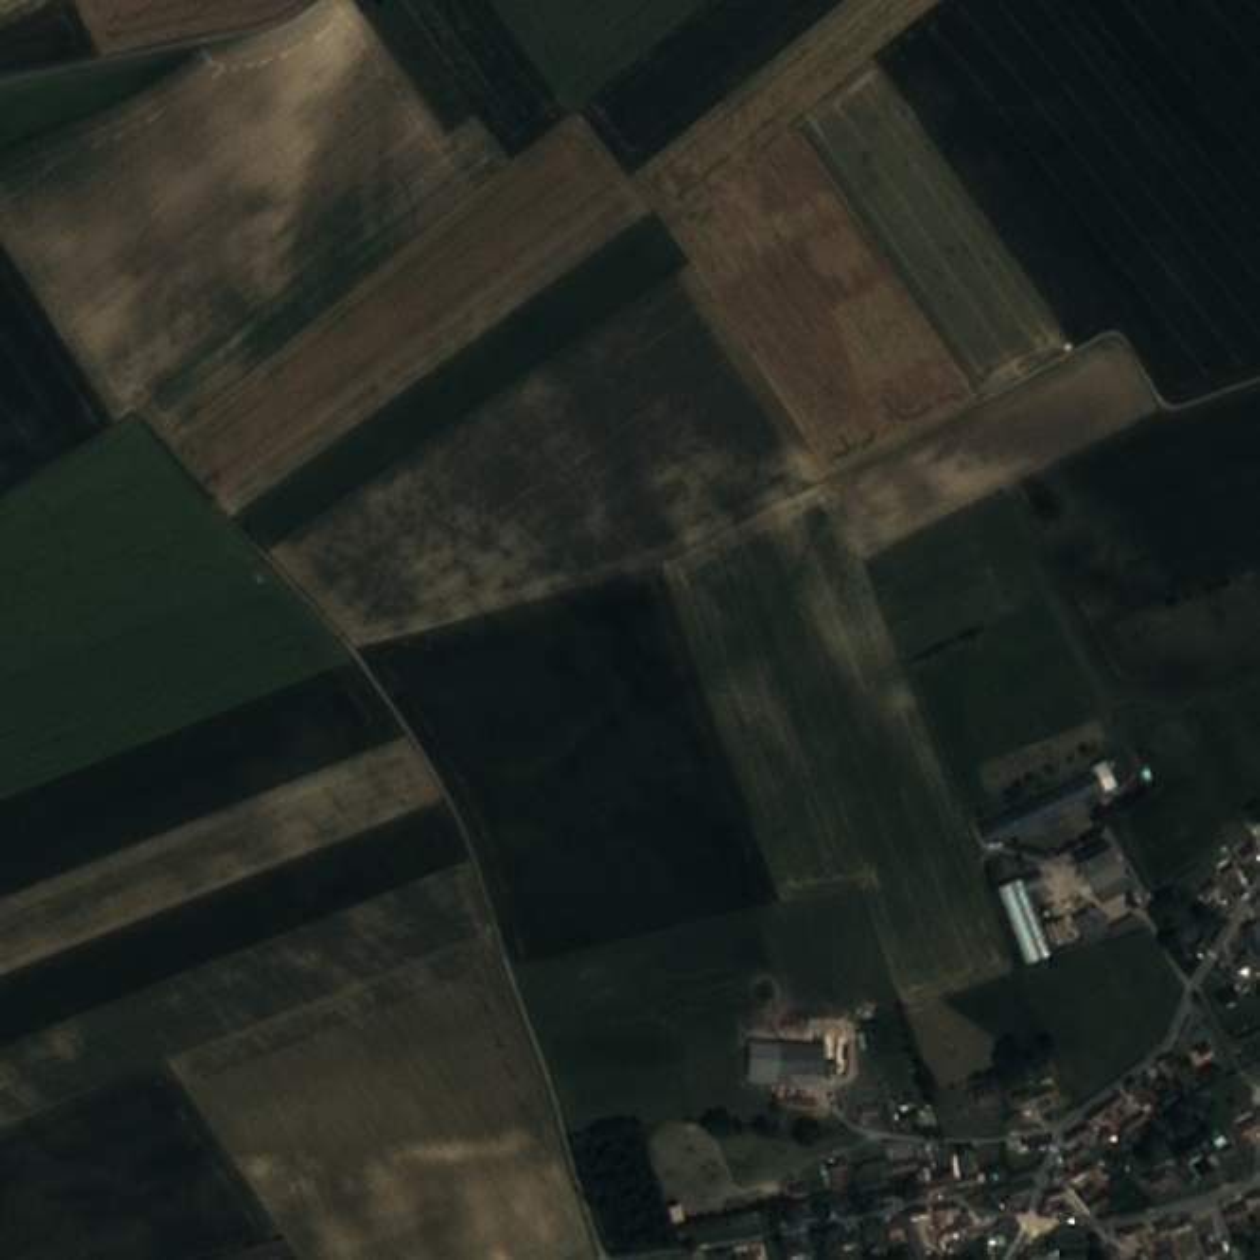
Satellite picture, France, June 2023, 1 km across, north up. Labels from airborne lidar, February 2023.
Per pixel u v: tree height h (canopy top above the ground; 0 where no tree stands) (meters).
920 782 0
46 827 0
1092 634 0
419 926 0
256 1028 0
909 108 0
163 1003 0
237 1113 0
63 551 0
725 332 0
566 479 0
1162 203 0
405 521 0
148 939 0
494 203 0
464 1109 0
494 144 0
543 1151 0
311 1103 0
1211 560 0
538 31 0
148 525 0
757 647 0
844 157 0
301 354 0
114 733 0
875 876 0
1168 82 0
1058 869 0
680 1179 0
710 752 0
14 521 0
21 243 0
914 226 0
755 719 0
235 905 0
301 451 0
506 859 0
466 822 0
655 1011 0
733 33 0
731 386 0
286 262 0
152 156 0
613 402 0
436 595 0
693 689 0
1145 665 0
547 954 0
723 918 0
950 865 0
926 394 0
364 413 0
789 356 0
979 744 0
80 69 0
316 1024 0
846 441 0
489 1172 0
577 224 0
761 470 0
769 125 0
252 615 0
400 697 0
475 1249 0
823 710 0
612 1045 0
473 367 0
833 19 0
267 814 0
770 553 0
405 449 0
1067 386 0
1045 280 0
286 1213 0
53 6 0
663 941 0
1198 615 0
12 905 0
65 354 0
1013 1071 14
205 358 0
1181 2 0
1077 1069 0
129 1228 0
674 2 0
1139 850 0
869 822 0
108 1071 0
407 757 0
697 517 0
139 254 0
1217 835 0
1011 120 0
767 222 0
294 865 0
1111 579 0
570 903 0
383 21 0
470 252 0
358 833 0
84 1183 0
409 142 0
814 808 0
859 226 0
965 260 0
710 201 0
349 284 0
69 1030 0
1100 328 0
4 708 0
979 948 0
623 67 0
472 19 0
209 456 0
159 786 0
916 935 0
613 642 0
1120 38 0
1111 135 0
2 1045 0
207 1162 0
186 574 0
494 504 0
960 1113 0
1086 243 0
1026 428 0
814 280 0
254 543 0
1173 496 0
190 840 0
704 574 0
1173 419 0
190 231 0
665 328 0
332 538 0
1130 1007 0
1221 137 0
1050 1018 0
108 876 0
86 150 0
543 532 0
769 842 0
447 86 0
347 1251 0
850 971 0
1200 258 0
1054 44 0
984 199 0
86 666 0
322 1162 0
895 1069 0
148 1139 0
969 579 0
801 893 0
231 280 0
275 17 0
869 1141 0
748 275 0
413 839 0
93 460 0
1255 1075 0
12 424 0
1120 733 0
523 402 0
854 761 0
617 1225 8
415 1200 0
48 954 0
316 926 0
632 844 0
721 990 0
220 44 0
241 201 0
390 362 0
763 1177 0
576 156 0
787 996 0
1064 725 0
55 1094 0
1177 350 0
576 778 0
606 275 0
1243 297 0
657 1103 0
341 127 0
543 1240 0
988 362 0
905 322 0
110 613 0
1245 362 0
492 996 0
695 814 0
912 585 0
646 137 0
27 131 0
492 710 0
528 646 0
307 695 0
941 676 0
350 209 0
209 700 0
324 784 0
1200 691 0
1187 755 0
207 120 0
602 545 0
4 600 0
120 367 0
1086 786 0
